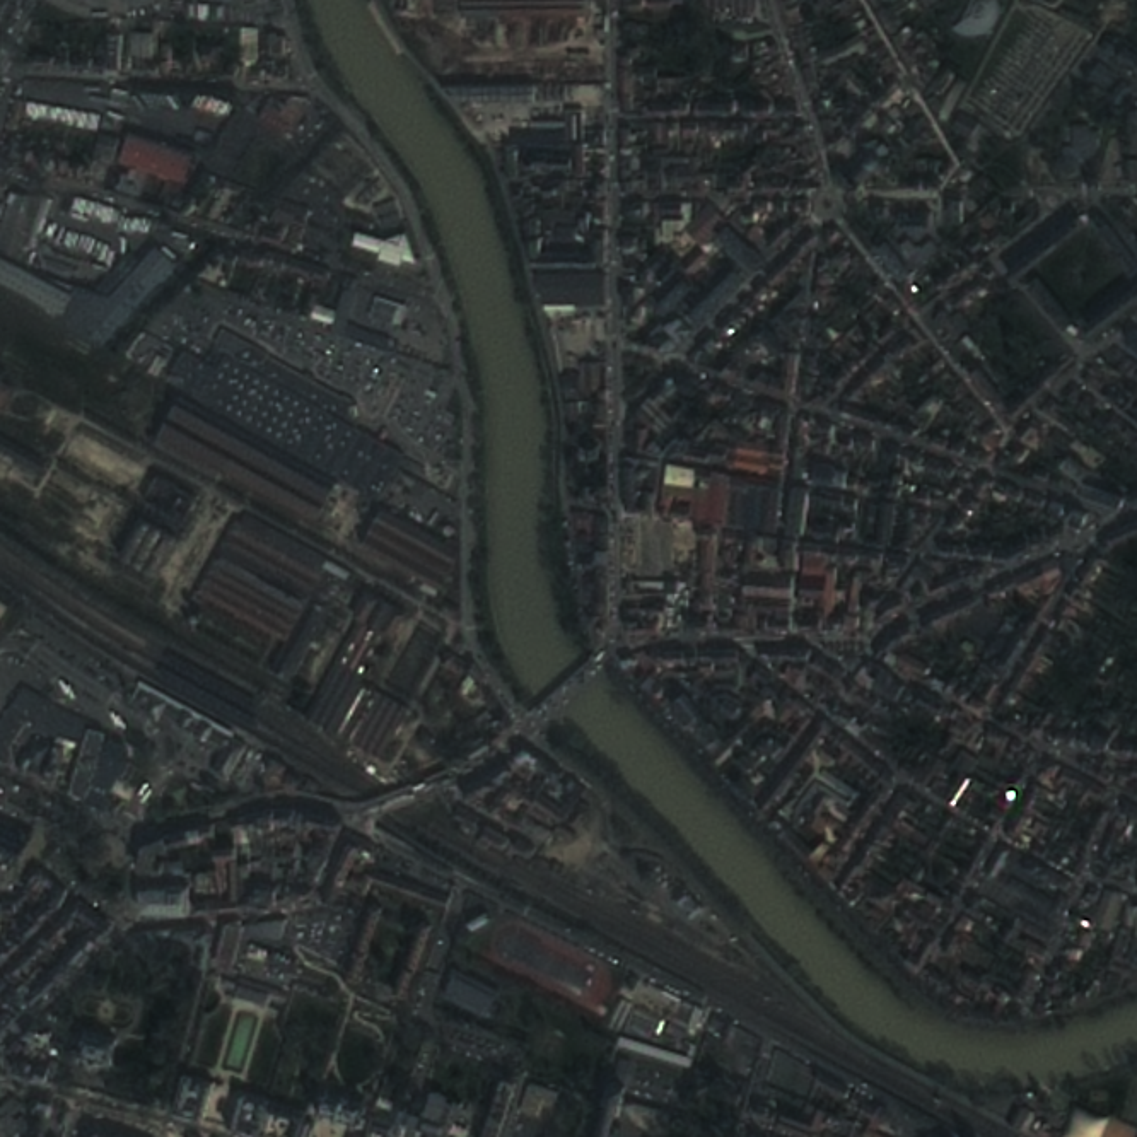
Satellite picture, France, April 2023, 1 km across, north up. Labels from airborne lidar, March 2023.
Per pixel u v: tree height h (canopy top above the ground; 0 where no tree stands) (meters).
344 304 0
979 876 0
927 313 0
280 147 0
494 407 0
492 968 0
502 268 0
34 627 0
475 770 0
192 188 9
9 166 20
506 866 0
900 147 16
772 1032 0
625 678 19
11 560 0
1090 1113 0
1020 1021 20
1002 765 8
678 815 0
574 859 0
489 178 7
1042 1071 0
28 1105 9
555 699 0
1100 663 11
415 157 0
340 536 0
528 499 0
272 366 0
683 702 0
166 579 0
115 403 0
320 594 0
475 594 8
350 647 0
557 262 0
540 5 0
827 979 0
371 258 9
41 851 0
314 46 9
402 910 0
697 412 8
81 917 0
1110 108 9
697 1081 11
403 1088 18
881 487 7
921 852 7
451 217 0
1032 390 0
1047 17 0
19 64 0
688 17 17
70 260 0
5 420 0
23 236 0
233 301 0
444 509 0
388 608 0
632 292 0
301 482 0
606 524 0
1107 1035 0
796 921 0
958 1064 0
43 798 8
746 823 23
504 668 14
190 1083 0
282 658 0
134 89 9
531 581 0
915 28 7
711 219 0
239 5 0
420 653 0
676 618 0
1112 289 0
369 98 0
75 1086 14
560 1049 0
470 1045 0
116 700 0
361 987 16
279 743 0
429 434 0
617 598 0
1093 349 0
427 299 0
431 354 0
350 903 8
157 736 0
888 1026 0
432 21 0
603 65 0
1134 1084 0
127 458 0
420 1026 20
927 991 20
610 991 0
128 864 0
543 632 0
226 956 0
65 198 0
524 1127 0
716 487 0
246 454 0
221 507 0
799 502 0
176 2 0
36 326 0
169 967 22
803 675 0
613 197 0
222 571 0
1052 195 0
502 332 0
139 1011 0
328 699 0
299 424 0
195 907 0
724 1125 12
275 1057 6
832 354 7
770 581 0
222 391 0
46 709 0
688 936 0
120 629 0
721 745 0
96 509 0
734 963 0
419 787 0
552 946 0
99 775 0
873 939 19
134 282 0
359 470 0
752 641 0
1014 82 0
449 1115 0
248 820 0
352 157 0
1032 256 0
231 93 12
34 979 0
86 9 0
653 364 7
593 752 15
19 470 0
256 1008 0
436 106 11
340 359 0
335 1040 14
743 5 0
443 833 0
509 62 0
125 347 15
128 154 0
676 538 0
